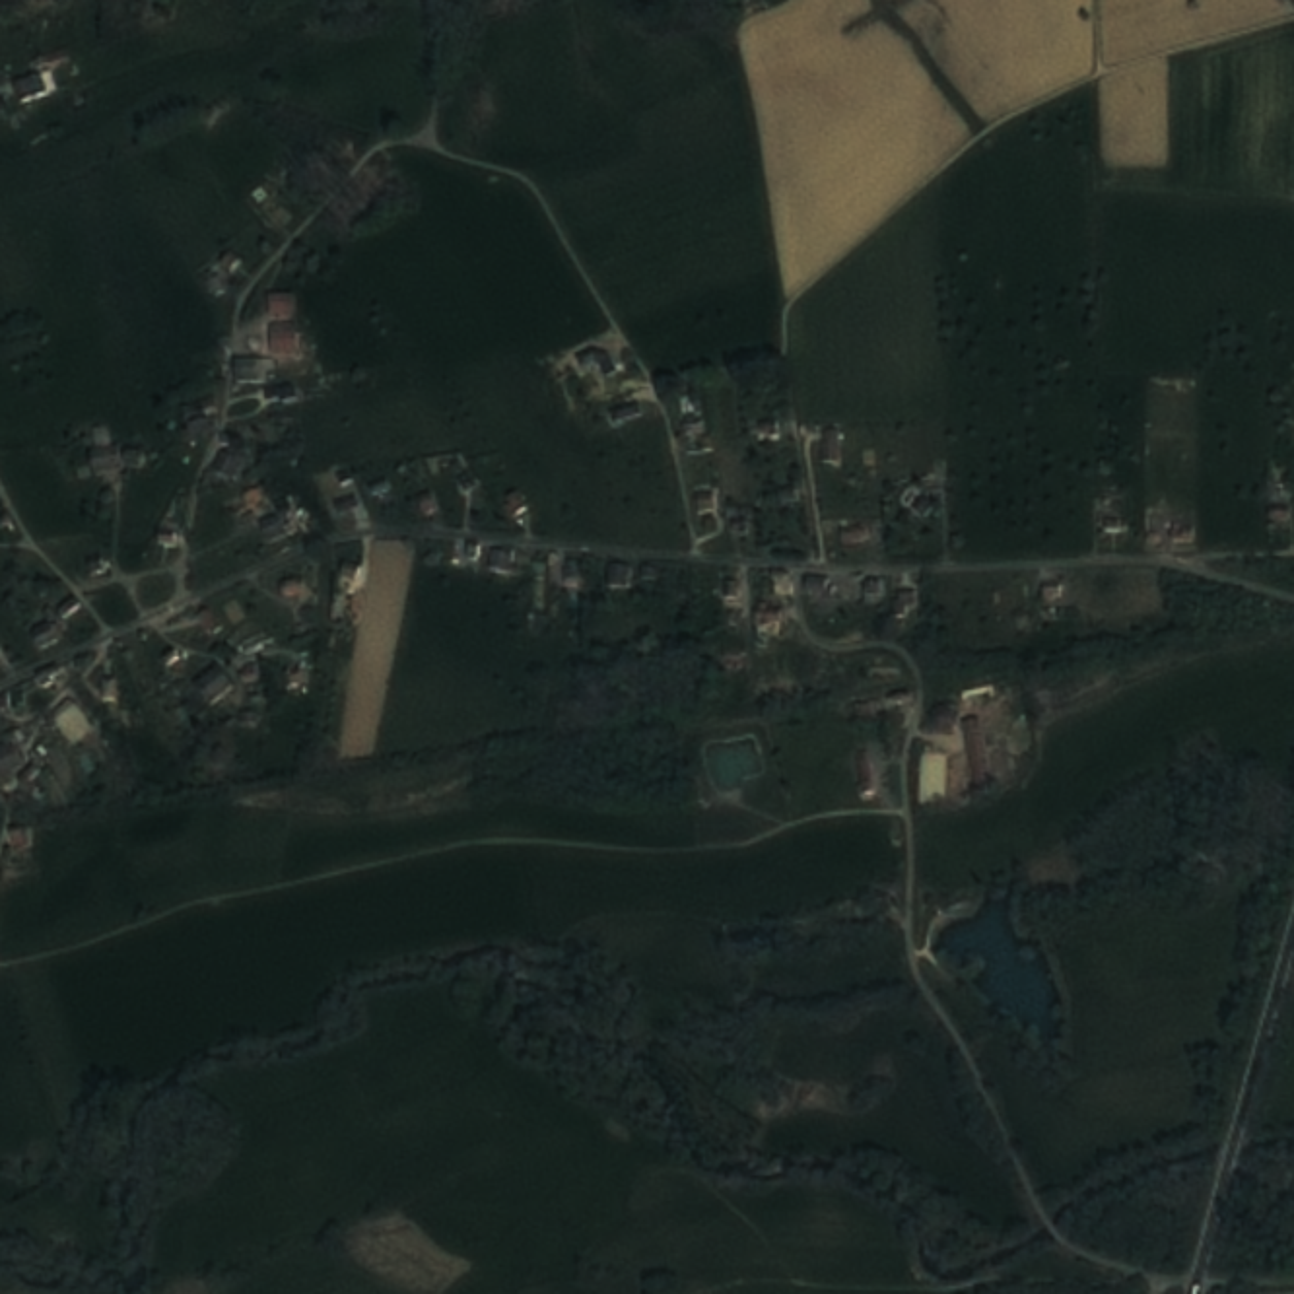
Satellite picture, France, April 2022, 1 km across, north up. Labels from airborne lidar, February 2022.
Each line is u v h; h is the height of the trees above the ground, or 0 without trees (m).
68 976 0
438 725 0
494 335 0
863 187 0
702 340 0
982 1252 8
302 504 0
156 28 0
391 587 0
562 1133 0
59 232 0
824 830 0
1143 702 0
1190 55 0
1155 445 0
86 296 0
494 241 0
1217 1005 0
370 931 0
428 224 0
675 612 6
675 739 28
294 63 0
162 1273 0
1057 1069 13
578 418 0
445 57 23
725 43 0
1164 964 0
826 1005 13
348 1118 0
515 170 0
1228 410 0
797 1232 0
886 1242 0
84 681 14
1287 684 0
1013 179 0
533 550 0
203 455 0
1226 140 0
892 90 0
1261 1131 17
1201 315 0
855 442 0
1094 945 0
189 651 0
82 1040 0
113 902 0
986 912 0
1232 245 0
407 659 0
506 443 0
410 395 0
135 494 0
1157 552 0
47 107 0
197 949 0
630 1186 0
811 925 0
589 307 0
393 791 0
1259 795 24
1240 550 0
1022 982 0
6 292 0
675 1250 0
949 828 0
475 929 0
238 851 0
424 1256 0
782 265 0
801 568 0
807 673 0
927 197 0
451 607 0
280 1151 0
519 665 0
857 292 0
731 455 0
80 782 0
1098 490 0
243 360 0
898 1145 0
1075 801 0
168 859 0
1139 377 0
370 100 0
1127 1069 0
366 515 0
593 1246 0
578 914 0
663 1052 0
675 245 0
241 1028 0
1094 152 0
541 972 6
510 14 0
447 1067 0
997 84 0
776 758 0
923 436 0
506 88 0
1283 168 0
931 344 0
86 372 0
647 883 0
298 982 0
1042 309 0
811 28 0
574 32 0
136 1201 19
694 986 0
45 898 0
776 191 0
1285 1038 14
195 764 13
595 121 0
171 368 0
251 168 0
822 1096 0
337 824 0
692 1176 0
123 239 0
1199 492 0
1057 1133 0
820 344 0
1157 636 7
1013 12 0
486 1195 0
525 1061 14
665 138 0
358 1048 0
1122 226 0
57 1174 11
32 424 0
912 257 0
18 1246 19
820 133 0
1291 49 0
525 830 0
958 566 0
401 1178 0
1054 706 0
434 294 0
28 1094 0
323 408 0
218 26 0
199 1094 20
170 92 0
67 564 0
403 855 0
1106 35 0
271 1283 0
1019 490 0
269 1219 0
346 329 0
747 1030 17
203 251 0
